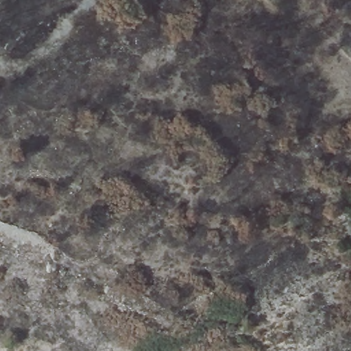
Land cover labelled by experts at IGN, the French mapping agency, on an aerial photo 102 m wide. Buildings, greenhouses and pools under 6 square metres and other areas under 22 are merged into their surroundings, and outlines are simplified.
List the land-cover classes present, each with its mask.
<instances>
[{"label":"bare soil","instance_id":"1","mask_svg":"<svg viewBox=\"0 0 351 351\"><path fill-rule=\"evenodd\" d=\"M96 0H0V351H134L138 340L145 337L147 332L154 333L158 330L165 332V336L181 339L188 333L195 332L196 326L203 324V319H207V302L203 304V308L197 310H182L193 293V287L191 284L180 285L175 278V270L184 273L191 270L195 276L203 277V284L208 289L215 288L214 278H221L225 284L230 285L233 292L245 293L247 299L244 317L247 318L241 321V325L222 319L218 321V330L222 333L223 340H229L232 346L248 344L244 351H351V332L333 336L332 330L324 326L325 314L307 311V307L313 306L315 293H322L329 304L344 303V285L348 280H337L340 274L337 269L340 265H336L335 259L340 251H346L351 247V236H348L343 222L333 225L324 217L326 193L315 188L303 192V184L315 175L318 182L328 184L330 188H340V200L336 202L333 217H339L347 208H351V114L346 117L341 110H337L335 114L322 112L326 103L335 99L337 89L329 88V80L322 75L321 69L325 63L332 62V58L340 62V49L351 53V0H138L145 12V19L138 23L136 29L117 33V23L104 21L100 25L96 11L90 10ZM169 14L193 15L196 25L191 40L180 41L177 47L170 44L169 36L163 34L160 29L162 25H167L166 18ZM215 85H225L232 96L230 101L241 107V110L232 114H215L213 110L221 107L214 104ZM175 110H182V117H185L191 128L206 130L210 140L218 144V154L228 160L229 169L219 180L221 188L228 184L233 185L228 191V202L202 200L200 197L203 191L192 193V184L185 182L186 175H195L191 167L184 165L180 170H175L166 163H155L154 155L143 156V145L147 143L149 133L154 129L152 123L155 118L163 117L173 122Z\"/></svg>","mask_w":351,"mask_h":351},{"label":"brushwood","instance_id":"2","mask_svg":"<svg viewBox=\"0 0 351 351\"><path fill-rule=\"evenodd\" d=\"M90 10L96 11L100 25L104 21L117 23V33L136 29L138 23L145 19V12L138 0H96ZM167 25H162L160 29L163 34L169 36L170 44L177 47L180 41L191 40L196 25L193 15L169 14L166 18ZM214 104L221 107L213 110L215 114H232L241 110V107L230 101L232 96L225 85H215ZM154 129L149 133L147 143L143 145V156L154 155L155 163H166L175 170H180L184 165L191 167L195 175H186L185 182L192 184V193L203 191L200 197L202 200L228 202V191L233 185L228 184L221 188L219 180L229 169L228 160L218 154V144L210 140L206 130L191 128L185 117H182V110H175L173 122L163 117L155 118L152 123ZM315 188L326 193L324 217L333 225L343 222L348 236H351V208H347L339 217H333L336 202L340 200V188H330L328 184L318 182L315 175L303 184V192ZM336 265H340L337 269L340 274L337 280H348L344 285V303L329 304L322 293H315L313 306L307 307V311L325 314L324 326L332 330L333 336L351 332V247L346 251H340L335 259ZM175 278L180 285L191 284L193 287V293L182 310H197L203 308V304L207 302V319H203V324L196 326L195 332L188 333L181 339L165 336V332L158 330L154 333L147 332L145 337L138 340L134 351H244L248 344L232 346L229 340H223L222 333L218 330V321L222 319L241 325V321L247 318L244 317L247 299L245 293L233 292L230 285L225 284L221 278H214L215 288L208 289L203 284V277L195 276L191 270L184 273L175 270Z\"/></svg>","mask_w":351,"mask_h":351},{"label":"coniferous trees","instance_id":"3","mask_svg":"<svg viewBox=\"0 0 351 351\"><path fill-rule=\"evenodd\" d=\"M340 62L332 58V62L325 63L321 69L322 75L329 80V88L337 89L335 99L326 103L322 112L335 114L337 110H341L346 117L351 114V53L340 49Z\"/></svg>","mask_w":351,"mask_h":351}]
</instances>
